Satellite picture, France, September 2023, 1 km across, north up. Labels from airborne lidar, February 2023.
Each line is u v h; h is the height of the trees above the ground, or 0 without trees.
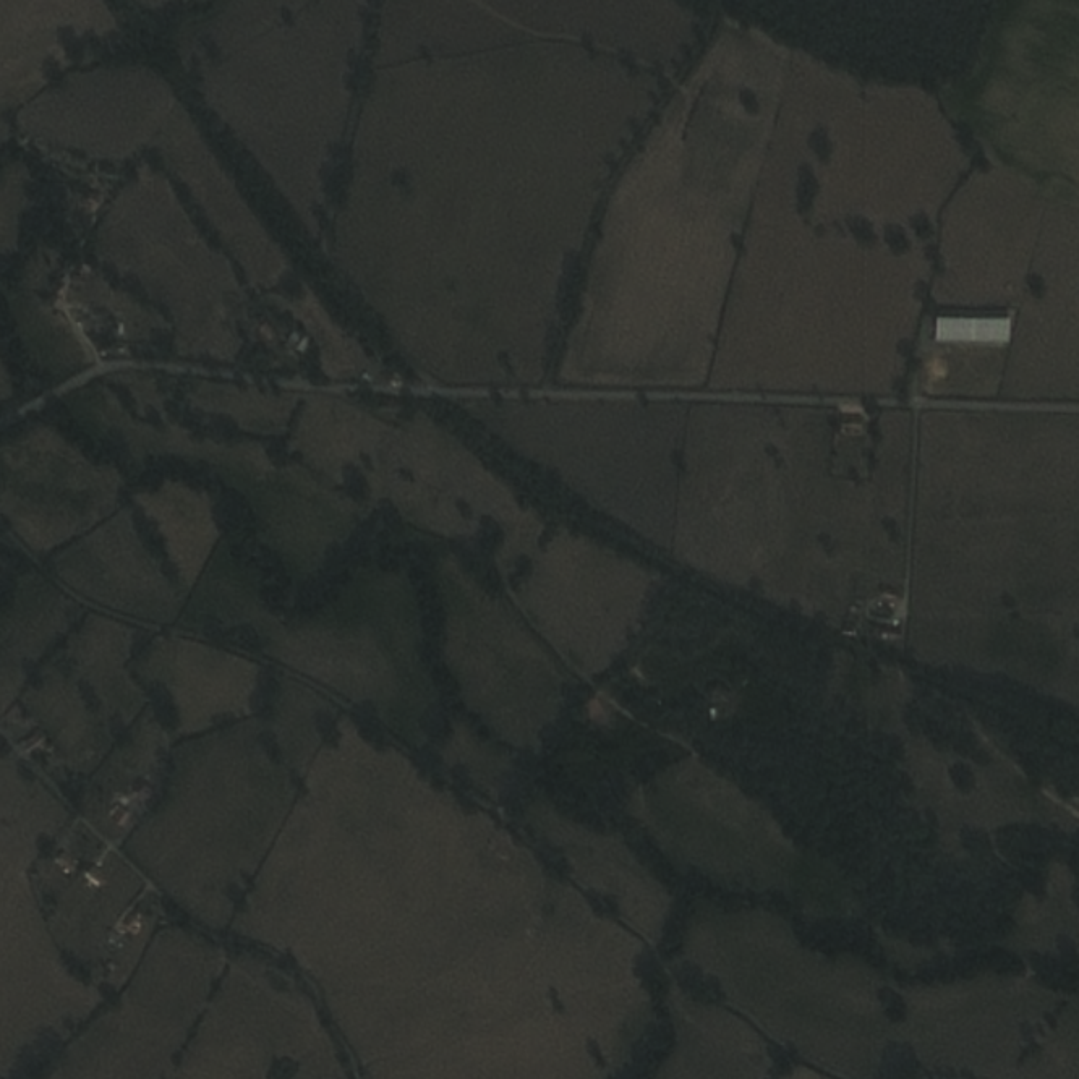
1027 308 0
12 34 0
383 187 0
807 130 0
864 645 9
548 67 0
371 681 0
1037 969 15
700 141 0
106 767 0
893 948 0
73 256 16
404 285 0
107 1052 0
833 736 22
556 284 0
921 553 0
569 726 19
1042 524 0
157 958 0
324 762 0
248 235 0
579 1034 0
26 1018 0
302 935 0
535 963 0
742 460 0
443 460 0
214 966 0
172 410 13
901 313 0
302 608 15
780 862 0
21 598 0
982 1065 0
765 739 12
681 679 0
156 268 0
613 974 0
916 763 0
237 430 15
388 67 0
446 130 0
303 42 0
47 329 0
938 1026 0
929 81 21
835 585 0
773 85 0
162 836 0
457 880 0
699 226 0
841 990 0
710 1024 0
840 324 0
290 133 0
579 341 0
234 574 0
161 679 0
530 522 0
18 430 17
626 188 0
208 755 0
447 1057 0
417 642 0
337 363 0
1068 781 15
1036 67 0
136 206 0
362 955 0
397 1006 0
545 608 0
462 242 0
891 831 17
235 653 0
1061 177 0
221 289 0
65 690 0
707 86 0
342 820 0
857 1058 0
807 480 0
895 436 0
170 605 0
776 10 20
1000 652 0
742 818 0
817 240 0
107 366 0
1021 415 0
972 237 0
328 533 0
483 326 0
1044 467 0
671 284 0
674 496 0
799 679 14
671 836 0
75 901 0
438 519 0
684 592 8
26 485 0
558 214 0
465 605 0
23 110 0
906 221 0
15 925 0
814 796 17
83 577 0
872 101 0
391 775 0
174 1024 0
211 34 0
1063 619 0
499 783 0
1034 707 16
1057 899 0
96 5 0
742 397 0
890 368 0
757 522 0
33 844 0
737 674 0
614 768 0
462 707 9
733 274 0
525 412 0
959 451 0
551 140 0
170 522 0
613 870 0
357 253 0
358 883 0
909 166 0
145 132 0
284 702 0
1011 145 0
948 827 0
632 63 17
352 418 0
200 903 0
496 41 0
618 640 0
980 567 0
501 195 0
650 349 0
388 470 0
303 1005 0
